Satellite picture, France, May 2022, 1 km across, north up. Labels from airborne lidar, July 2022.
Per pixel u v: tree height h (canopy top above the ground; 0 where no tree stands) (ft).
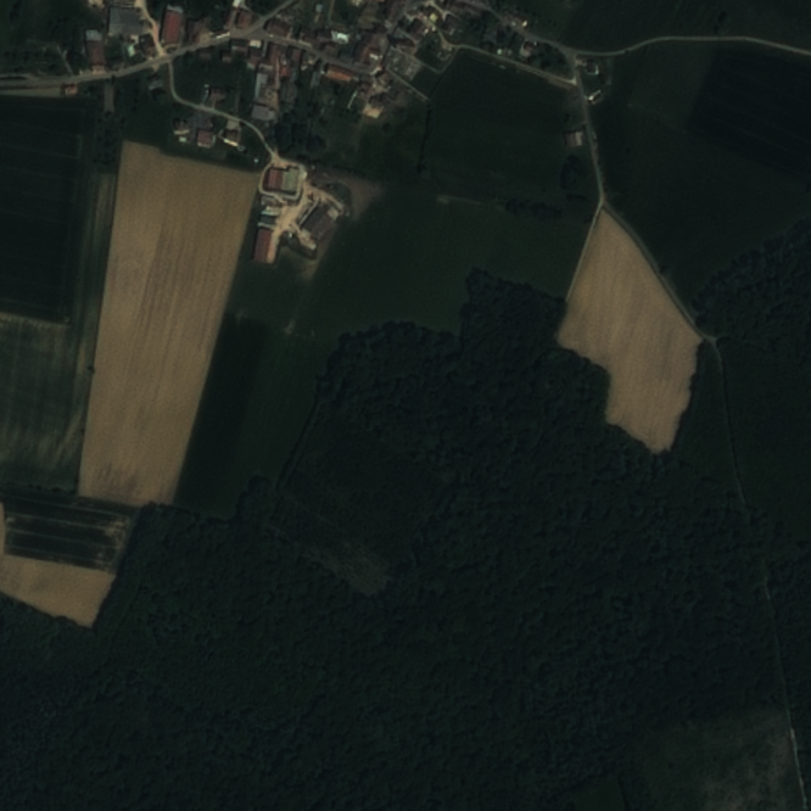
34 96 0
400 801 73
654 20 0
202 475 0
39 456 0
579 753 81
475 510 76
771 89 0
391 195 0
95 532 0
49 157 0
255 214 0
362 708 52
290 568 77
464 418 82
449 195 0
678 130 0
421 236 0
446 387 91
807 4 0
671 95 0
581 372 65
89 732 97
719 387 36
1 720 68
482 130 0
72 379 0
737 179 0
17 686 70
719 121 0
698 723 94
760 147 0
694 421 38
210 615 43
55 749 71
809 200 0
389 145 0
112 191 0
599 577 91
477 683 81
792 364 38
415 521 0
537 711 80
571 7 0
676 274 0
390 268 0
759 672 83
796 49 0
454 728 88
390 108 0
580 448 63
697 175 0
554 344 54
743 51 0
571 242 0
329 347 0
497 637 80
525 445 89
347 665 77
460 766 93
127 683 50
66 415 0
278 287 0
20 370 0
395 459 0
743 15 0
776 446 40
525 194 0
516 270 0
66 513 0
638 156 0
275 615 61
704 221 0
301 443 23
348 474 0
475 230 0
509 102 0
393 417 73
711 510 83
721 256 0
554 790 31
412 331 71
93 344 0
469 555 46
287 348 0
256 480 36
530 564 64
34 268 0
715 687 96
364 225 0
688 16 0
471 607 96
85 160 0
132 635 48
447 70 0
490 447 88
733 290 70
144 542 69
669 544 99
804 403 35
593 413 74
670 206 0
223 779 76
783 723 0
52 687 75
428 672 53
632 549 89
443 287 0
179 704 50
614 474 85
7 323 0
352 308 0
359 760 71
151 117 0
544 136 0
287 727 57
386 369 83
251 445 0
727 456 34
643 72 0
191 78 0
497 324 72
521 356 91
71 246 0
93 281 0
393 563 0
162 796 77
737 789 0
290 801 86
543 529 70
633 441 53
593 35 0
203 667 48
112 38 0
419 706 77
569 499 69
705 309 72
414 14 0
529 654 65
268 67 0
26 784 72
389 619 92
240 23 0
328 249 0
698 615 78
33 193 0
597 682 61
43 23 0
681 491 78
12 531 0
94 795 85
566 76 0
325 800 78
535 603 71
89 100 0
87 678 65
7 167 0
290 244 0
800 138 0
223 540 75
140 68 0
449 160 0
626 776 64
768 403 41
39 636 75
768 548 61
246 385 0
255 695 51
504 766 80
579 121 0
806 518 37
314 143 47
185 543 72
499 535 77
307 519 0
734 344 39
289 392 0
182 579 68
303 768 74
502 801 86
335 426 0
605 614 83
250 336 0
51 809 72
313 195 0
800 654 53
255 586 86
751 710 73
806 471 37
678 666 96
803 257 77
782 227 0
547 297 57
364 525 0
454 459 78
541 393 86
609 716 80
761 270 74
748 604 57
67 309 0
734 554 94
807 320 41
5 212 0
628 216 0
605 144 0
